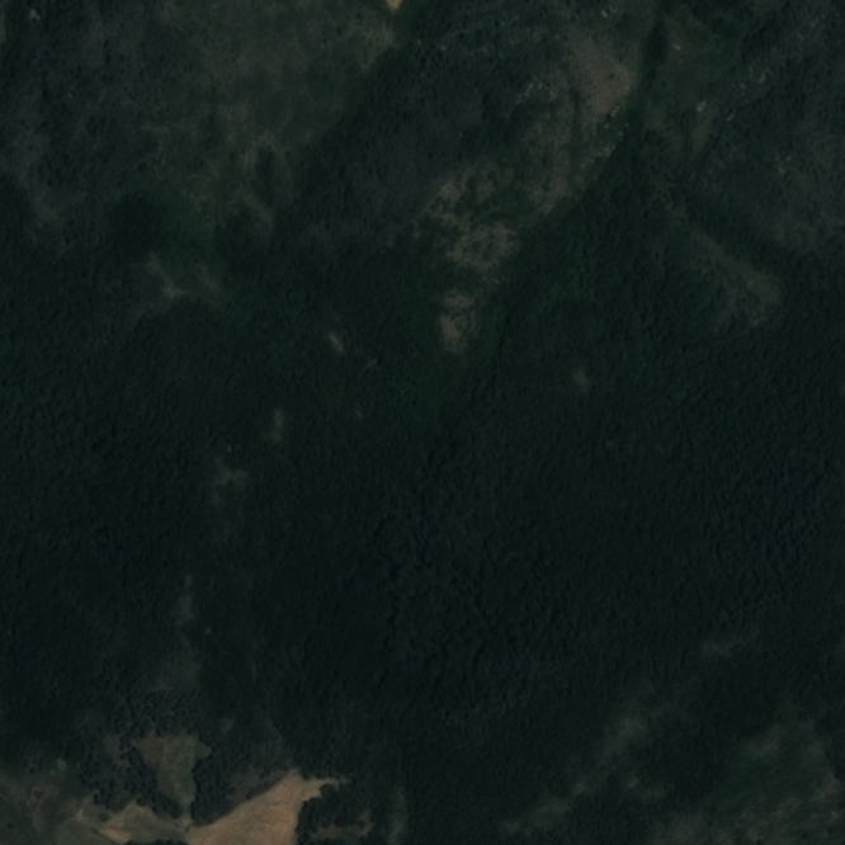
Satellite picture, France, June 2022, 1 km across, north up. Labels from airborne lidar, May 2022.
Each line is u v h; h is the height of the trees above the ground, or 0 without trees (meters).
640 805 9
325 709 16
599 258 9
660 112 0
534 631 18
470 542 21
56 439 16
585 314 13
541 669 9
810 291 9
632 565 15
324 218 8
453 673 30
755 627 7
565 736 15
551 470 18
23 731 13
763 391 13
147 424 9
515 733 17
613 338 17
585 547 16
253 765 10
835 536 10
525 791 18
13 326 12
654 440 15
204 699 13
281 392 11
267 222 6
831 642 12
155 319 7
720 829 0
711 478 14
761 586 15
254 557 18
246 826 0
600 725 9
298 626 16
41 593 15
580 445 18
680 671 12
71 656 18
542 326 7
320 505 19
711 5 8
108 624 8
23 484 14
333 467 16
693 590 18
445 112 6
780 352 14
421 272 11
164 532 21
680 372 15
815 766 0
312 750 12
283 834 0
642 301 13
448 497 10
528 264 7
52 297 11
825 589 11
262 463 14
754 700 16
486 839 11
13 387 12
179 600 7
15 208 7
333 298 14
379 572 29
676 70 0
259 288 10
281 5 0
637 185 8
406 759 14
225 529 7
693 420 17
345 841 0
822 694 13
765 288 0
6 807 0
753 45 14
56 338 11
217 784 6
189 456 16
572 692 12
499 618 22
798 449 11
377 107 10
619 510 16
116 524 20
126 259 6
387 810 10
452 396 10
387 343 15
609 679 14
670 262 7
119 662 9
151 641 14
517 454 15
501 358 15
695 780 14
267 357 11
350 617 22
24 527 15
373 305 15
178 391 8
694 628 15
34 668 10
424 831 18
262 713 6
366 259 8
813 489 9
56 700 10
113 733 8
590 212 11
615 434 18
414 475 26
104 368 10
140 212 8
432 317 8
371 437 13
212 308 5
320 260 9
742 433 9
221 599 16
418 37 6
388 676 22
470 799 14
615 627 18
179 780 0
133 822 0
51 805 0
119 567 26
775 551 15
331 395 7
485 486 22
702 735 11
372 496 17
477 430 16
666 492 15
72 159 8
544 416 11
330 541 21
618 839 11
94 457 11
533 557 12
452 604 21
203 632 12
